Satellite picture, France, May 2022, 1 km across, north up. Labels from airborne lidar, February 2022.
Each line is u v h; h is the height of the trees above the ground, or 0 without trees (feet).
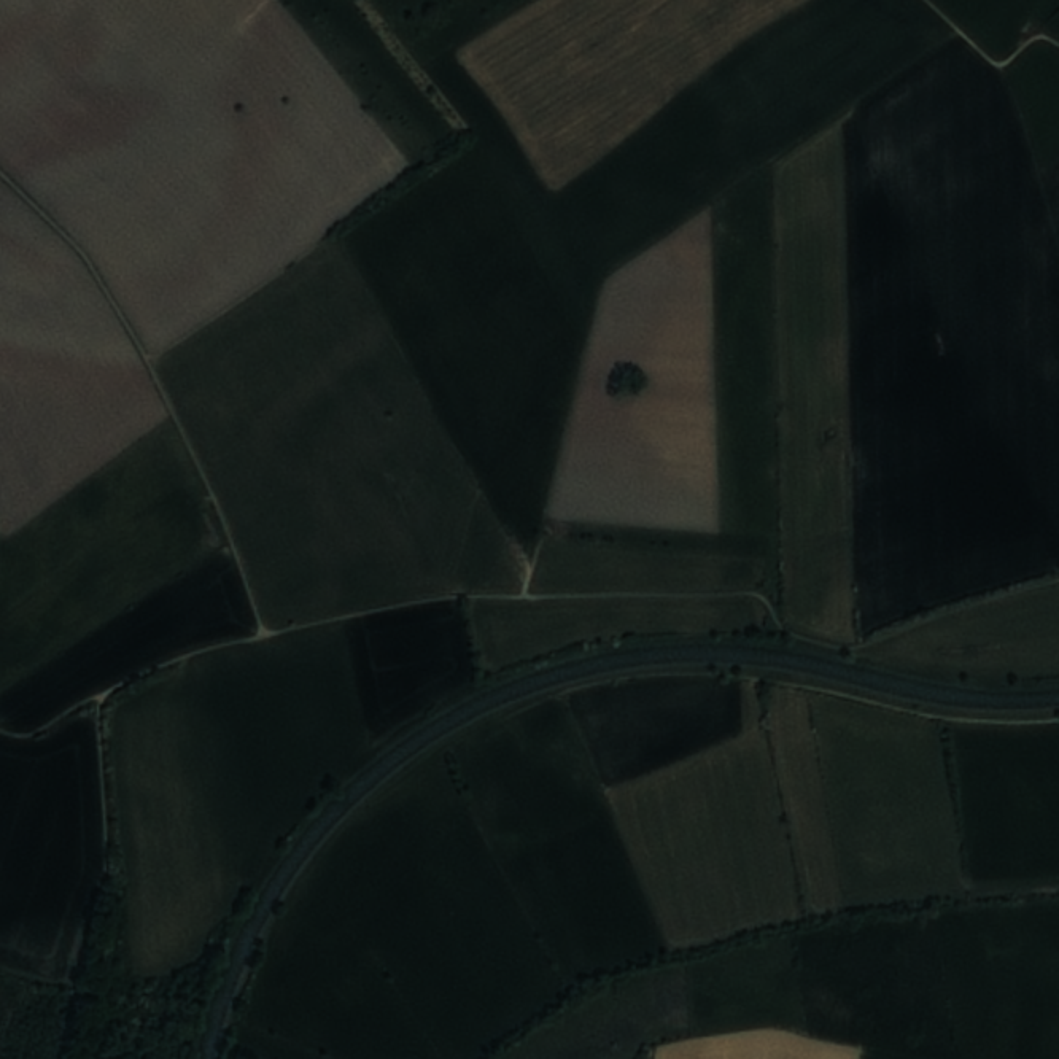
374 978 0
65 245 0
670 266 0
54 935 0
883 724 0
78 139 0
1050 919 0
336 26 0
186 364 0
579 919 0
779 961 0
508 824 0
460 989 0
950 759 38
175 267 0
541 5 0
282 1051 0
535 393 0
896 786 0
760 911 0
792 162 0
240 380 0
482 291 0
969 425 0
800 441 0
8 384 0
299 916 0
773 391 0
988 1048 0
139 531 0
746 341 0
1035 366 0
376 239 0
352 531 0
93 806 0
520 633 0
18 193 0
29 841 0
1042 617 0
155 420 0
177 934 0
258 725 0
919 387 0
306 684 0
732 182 0
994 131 0
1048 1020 0
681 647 0
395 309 0
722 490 0
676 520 0
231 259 0
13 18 0
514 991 0
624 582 0
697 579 0
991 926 0
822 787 0
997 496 0
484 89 0
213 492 0
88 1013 67
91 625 0
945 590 0
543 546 0
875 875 0
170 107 0
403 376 0
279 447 0
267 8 0
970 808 0
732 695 0
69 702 0
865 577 0
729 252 0
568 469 0
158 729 0
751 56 0
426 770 0
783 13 0
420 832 0
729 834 0
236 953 0
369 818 0
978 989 0
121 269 0
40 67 0
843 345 0
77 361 0
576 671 0
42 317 0
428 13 38
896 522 0
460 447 0
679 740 0
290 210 0
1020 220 0
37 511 0
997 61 0
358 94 0
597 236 0
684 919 0
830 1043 0
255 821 0
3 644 0
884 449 0
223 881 0
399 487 0
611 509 0
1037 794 0
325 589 0
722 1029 0
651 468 0
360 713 0
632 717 0
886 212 0
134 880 0
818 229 0
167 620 0
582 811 0
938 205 0
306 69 0
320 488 0
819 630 0
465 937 0
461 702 0
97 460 0
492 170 0
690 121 0
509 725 0
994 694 0
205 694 0
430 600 0
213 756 0
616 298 0
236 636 0
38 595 0
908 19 0
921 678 0
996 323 0
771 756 0
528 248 0
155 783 0
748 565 0
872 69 0
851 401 0
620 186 0
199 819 0
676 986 0
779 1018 0
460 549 0
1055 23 0
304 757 0
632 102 0
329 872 0
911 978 0
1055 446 0
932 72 0
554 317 0
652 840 0
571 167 0
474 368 0
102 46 0
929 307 0
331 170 0
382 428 0
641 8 0
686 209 0
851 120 0
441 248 0
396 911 0
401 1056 0
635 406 0
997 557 0
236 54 0
